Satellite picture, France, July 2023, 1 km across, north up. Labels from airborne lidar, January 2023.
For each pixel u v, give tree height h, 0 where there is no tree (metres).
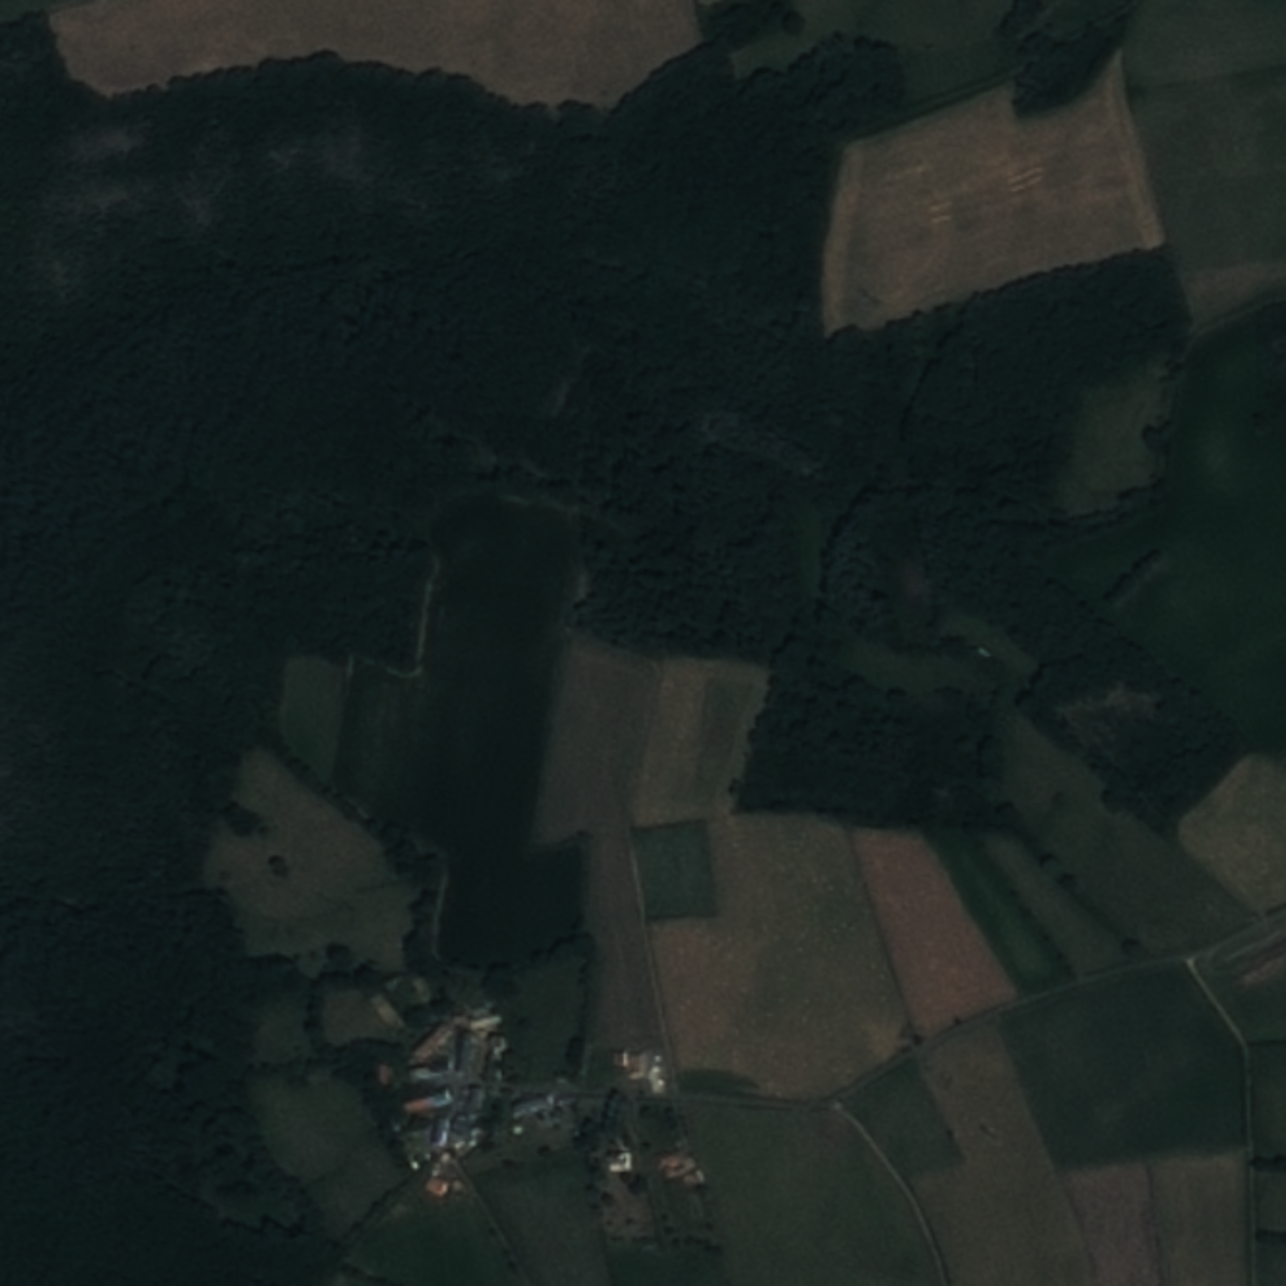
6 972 8
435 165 15
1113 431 0
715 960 0
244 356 18
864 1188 0
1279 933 0
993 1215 0
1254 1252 0
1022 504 7
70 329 23
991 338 12
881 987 0
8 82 10
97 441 15
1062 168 0
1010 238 0
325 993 12
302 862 0
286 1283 26
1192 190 0
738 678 0
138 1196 18
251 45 0
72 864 15
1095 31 9
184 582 8
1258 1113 0
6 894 19
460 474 24
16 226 16
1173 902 0
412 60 0
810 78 20
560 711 0
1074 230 0
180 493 16
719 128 21
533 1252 0
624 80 0
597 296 24
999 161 0
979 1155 0
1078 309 20
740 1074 0
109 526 14
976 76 0
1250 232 0
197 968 21
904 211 0
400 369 22
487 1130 9
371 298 18
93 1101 19
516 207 21
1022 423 17
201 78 12
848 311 0
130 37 0
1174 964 0
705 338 7
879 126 0
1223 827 0
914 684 0
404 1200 0
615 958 0
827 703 8
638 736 0
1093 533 10
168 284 23
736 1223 0
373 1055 14
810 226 21
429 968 18
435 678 0
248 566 17
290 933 0
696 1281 0
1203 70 0
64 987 22
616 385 7
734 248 18
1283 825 0
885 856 0
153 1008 20
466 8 0
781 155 20
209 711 13
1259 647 0
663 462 25
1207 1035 0
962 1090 0
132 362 15
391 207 15
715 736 0
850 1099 0
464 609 0
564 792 0
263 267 23
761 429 21
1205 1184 0
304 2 0
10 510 14
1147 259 13
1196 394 0
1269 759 0
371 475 24
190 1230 14
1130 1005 0
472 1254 0
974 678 0
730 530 18
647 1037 0
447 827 0
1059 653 19
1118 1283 0
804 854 0
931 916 0
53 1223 14
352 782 0
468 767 0
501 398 21
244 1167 20
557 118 17
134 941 19
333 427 19
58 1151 16
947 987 0
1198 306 0
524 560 0
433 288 20
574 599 0
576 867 0
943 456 17
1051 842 0
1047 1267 0
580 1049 10
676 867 0
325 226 17
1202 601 0
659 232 19
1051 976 0
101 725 21
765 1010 0
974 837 6
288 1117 0
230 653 12
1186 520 0
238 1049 20
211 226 12
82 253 12
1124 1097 0
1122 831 0
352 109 11
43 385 16
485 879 0
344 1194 0
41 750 11
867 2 0
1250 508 0
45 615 14
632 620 16
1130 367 14
